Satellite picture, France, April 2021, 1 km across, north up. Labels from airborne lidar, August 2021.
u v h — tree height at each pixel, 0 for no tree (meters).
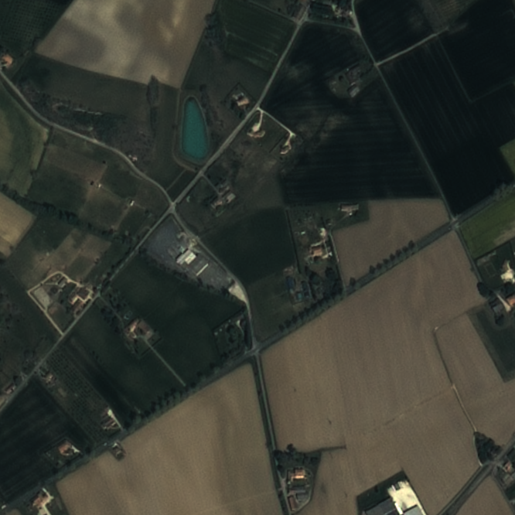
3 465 0
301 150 13
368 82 0
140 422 21
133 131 0
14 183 0
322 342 0
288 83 0
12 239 0
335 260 6
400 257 19
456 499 0
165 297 0
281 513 0
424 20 0
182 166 0
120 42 0
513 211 0
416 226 0
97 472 0
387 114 0
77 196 0
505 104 0
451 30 0
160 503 0
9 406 0
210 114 11
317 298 17
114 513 0
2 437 0
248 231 0
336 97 0
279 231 0
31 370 0
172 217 0
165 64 0
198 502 0
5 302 12
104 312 12
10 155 0
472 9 0
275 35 0
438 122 0
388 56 0
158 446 0
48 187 0
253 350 0
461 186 0
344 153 0
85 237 0
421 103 0
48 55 0
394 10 0
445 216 0
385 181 0
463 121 0
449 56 0
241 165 0
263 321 0
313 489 0
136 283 0
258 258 0
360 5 0
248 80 0
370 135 0
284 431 0
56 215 24
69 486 0
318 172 0
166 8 0
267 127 0
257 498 0
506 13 0
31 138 0
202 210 0
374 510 0
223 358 10
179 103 0
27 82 14
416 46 0
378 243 0
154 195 0
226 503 0
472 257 0
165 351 0
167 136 0
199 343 0
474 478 0
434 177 0
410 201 0
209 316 0
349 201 0
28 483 0
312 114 0
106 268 0
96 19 0
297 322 18
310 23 0
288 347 0
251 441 0
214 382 0
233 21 0
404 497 0
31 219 0
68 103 7
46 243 0
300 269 7
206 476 0
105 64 0
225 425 0
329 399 0
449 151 0
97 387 0
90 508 0
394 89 0
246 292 0
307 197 0
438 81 0
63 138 0
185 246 0
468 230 0
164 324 0
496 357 0
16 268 0
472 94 0
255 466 0
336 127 0
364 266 0
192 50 0
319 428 0
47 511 0
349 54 0
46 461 0
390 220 0
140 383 0
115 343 0
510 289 13
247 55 0
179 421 0
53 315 0
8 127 0
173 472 0
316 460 8
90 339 0
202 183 0
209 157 0
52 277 0
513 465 7
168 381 0
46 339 6
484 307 0
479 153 0
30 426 0
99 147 0
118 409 0
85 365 0
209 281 0
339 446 0
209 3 0
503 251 0
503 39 0
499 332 0
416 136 0
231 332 17
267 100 0
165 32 0
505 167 0
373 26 0
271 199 0
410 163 0
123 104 0
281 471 14
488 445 11
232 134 0
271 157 0
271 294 0
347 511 0
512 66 0
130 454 0
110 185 0
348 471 0
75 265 0
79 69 0
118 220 0
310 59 0
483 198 0
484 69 0
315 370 0
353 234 0
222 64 0
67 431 0
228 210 0
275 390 0
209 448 0
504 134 0
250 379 0
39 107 12
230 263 0
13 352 0
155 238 0
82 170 0
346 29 0
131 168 0
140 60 0
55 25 0
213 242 0
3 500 0
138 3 0
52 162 0
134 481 0
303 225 0
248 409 0
